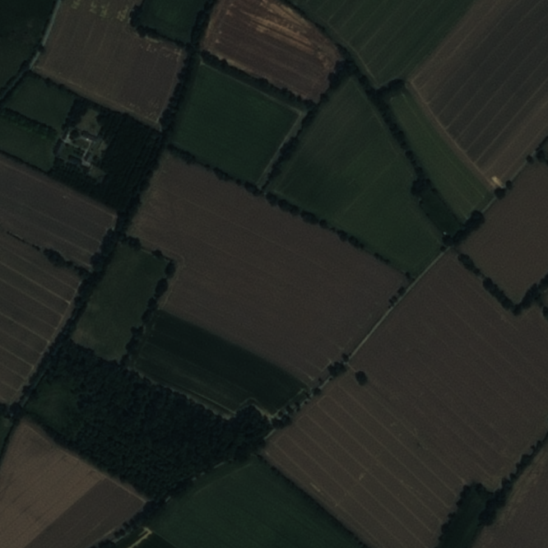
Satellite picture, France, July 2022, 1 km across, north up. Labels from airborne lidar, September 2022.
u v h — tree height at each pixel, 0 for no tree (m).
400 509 0
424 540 0
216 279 0
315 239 0
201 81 0
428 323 0
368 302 0
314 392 7
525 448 0
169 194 0
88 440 13
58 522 0
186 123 0
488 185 0
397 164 0
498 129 0
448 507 0
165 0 0
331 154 0
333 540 0
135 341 17
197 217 0
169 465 14
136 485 15
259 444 16
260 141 0
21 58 0
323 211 0
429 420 0
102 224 0
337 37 0
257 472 0
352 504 0
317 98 0
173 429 24
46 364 16
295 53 0
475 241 0
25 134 0
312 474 0
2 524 0
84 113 10
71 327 18
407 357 0
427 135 0
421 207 5
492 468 0
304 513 0
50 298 0
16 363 0
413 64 0
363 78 12
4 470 0
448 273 0
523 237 0
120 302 0
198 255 0
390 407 0
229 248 0
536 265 0
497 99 0
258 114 0
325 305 0
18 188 0
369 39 0
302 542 0
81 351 23
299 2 0
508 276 0
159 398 24
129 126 14
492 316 0
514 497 0
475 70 0
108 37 0
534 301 14
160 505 22
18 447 0
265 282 0
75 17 0
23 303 0
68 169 7
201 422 23
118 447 15
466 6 0
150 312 11
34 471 0
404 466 0
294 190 0
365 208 0
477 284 0
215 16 0
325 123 0
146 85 0
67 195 0
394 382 0
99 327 0
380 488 0
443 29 0
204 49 0
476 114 0
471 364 0
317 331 0
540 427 0
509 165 0
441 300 0
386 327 0
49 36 0
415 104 0
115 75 0
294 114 0
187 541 0
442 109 0
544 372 0
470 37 0
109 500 0
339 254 0
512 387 0
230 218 0
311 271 0
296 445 0
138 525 14
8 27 0
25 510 0
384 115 10
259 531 0
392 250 0
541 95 0
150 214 0
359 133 0
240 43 0
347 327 0
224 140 0
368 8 0
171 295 0
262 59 0
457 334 0
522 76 0
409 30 0
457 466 0
